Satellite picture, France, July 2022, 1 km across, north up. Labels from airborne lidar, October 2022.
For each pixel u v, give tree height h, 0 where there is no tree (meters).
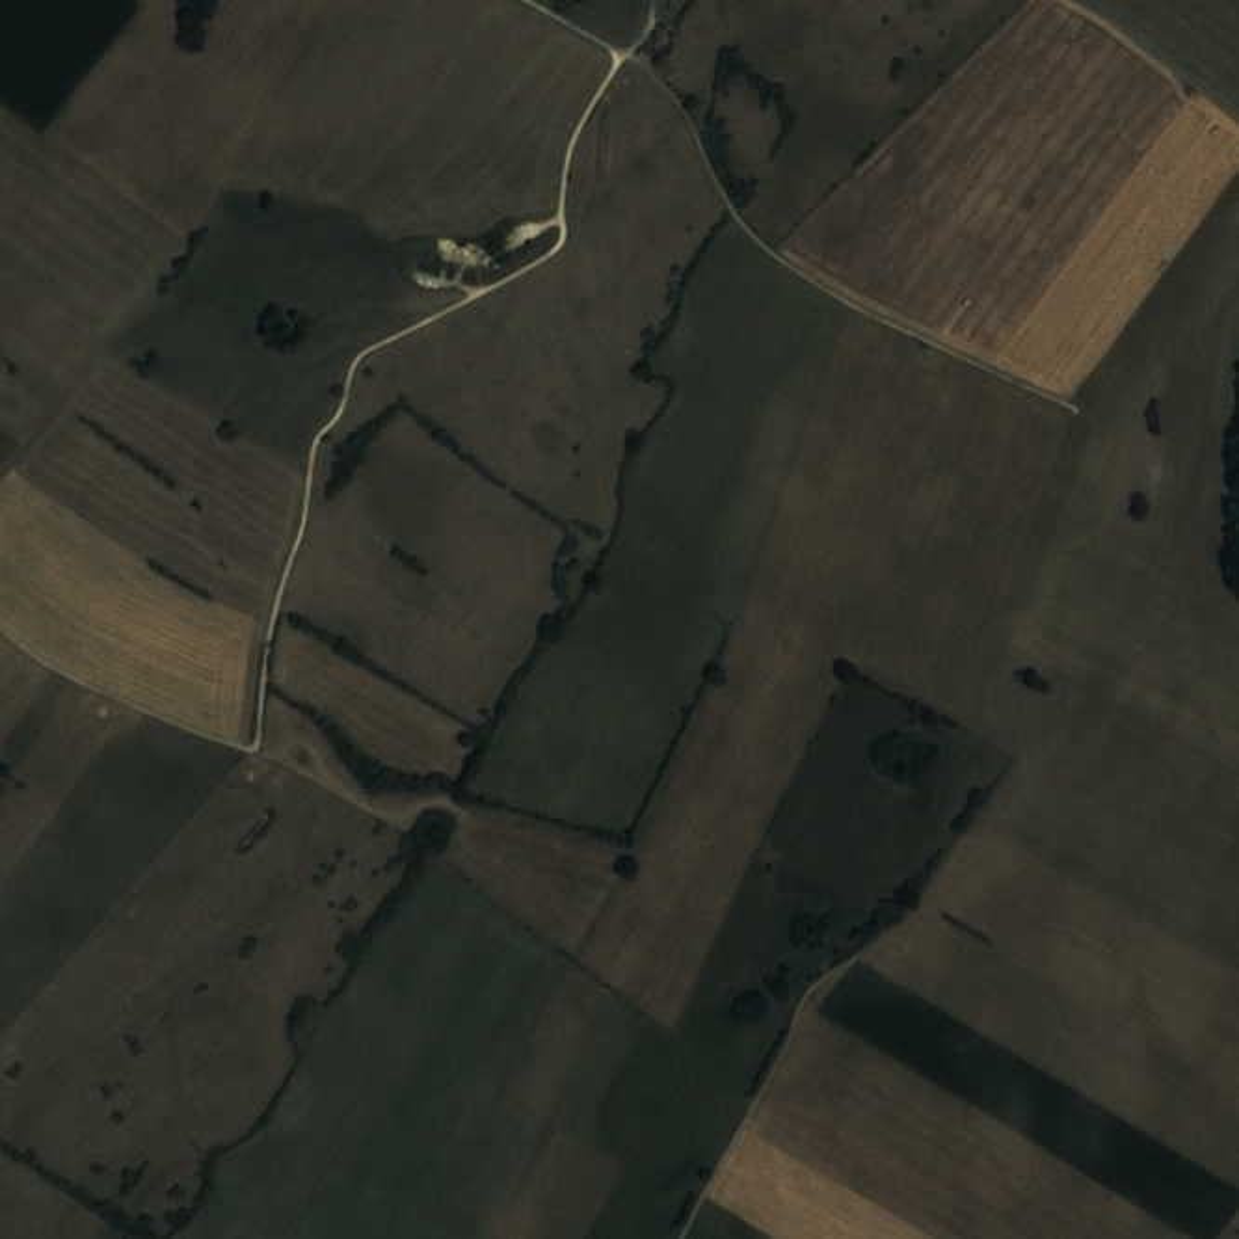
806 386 0
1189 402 0
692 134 0
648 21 0
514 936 0
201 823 0
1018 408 0
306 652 0
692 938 0
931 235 0
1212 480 0
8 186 0
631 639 0
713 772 0
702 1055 0
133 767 0
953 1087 0
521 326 0
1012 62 0
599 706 0
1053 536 0
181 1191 6
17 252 0
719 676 15
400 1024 0
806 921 8
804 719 0
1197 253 0
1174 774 0
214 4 12
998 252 0
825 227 0
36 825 0
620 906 0
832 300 0
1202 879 0
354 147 0
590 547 0
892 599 0
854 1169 0
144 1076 0
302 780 0
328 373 0
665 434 0
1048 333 0
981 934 0
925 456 0
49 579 0
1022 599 0
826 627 0
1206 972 0
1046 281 0
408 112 0
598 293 0
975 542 0
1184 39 0
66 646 0
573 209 0
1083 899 0
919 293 0
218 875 0
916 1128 0
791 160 0
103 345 0
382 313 0
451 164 0
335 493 6
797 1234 0
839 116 0
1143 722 0
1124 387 0
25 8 0
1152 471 0
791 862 0
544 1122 0
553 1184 0
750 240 0
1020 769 0
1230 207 0
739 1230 0
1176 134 0
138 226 0
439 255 0
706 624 0
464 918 0
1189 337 0
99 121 0
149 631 0
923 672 0
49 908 0
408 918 0
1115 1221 0
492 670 0
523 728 0
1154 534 0
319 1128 0
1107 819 0
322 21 0
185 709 0
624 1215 0
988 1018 0
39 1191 0
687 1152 0
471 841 0
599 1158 0
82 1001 0
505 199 0
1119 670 0
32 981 0
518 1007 0
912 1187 0
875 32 0
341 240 0
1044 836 0
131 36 0
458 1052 0
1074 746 0
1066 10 0
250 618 0
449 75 0
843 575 0
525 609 0
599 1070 0
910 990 0
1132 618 0
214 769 0
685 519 0
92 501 0
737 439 0
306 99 0
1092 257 0
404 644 0
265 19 0
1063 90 0
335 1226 0
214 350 0
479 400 0
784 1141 0
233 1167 0
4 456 0
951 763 0
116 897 0
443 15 0
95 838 0
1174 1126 0
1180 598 0
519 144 0
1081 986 0
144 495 0
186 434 0
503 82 0
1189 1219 0
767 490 0
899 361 0
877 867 0
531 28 0
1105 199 0
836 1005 0
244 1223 0
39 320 0
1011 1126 0
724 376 0
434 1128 0
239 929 0
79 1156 0
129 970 0
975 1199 0
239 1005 0
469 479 0
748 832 0
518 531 0
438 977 0
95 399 0
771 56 0
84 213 0
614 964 0
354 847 0
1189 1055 0
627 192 0
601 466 0
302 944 0
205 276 0
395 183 0
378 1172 0
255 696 0
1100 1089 0
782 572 0
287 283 0
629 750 0
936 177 0
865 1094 0
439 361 0
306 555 0
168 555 0
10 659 0
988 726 0
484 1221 0
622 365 0
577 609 6
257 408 0
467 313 0
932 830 0
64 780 0
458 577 0
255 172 0
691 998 0
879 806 0
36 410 0
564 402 0
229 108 0
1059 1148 0
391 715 0
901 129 0
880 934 11
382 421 6
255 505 0
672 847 0
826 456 0
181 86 0
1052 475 0
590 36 0
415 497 0
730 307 0
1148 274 0
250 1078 0
